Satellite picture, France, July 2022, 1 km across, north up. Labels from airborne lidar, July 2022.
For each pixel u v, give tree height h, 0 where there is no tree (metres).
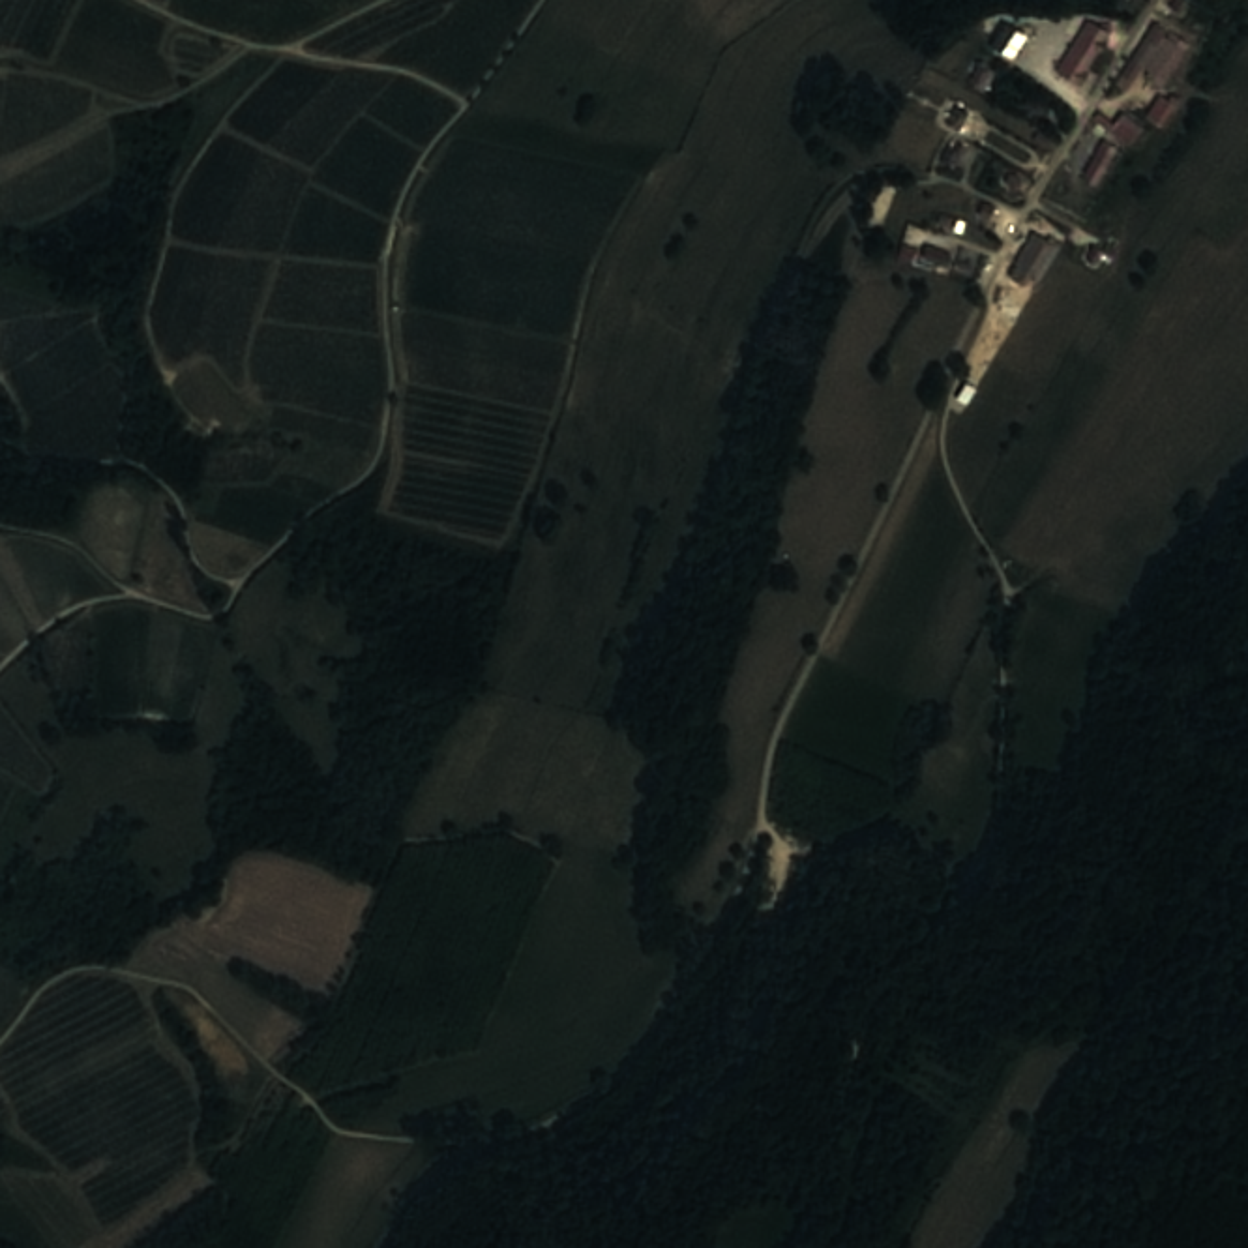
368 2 0
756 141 0
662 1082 28
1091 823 18
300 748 10
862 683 0
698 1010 22
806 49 0
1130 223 0
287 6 0
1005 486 0
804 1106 15
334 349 0
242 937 0
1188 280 0
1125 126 0
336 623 0
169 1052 0
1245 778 14
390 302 0
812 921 29
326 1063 6
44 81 0
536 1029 0
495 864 6
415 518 0
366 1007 6
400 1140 0
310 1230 0
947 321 0
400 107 0
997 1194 0
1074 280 0
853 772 8
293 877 0
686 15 0
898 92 17
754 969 28
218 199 0
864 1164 14
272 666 0
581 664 0
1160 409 0
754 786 0
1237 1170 9
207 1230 20
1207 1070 28
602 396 0
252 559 0
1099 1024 15
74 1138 0
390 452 0
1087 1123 18
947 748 0
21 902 11
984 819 0
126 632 0
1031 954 16
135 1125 0
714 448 0
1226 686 25
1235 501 17
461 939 7
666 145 0
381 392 0
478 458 0
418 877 6
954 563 0
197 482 14
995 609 6
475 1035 6
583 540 0
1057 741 0
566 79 0
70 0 0
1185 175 0
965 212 0
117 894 12
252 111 0
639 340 0
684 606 20
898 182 12
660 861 15
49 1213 0
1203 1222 11
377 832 15
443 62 0
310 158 0
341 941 0
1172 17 0
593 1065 0
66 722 12
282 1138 6
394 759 10
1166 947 16
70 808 0
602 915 0
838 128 9
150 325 0
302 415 0
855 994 21
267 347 0
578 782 0
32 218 0
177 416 6
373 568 8
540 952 0
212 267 0
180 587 0
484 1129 19
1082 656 0
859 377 0
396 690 10
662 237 0
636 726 22
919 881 21
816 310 14
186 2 0
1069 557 0
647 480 0
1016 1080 0
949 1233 0
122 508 0
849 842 23
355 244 0
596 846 0
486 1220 17
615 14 0
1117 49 0
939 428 0
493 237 0
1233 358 0
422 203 0
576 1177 32
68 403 0
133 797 0
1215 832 9
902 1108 14
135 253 13
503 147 0
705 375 0
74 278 15
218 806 10
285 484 0
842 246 0
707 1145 19
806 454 12
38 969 8
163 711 0
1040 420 0
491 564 8
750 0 0
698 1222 23
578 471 0
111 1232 0
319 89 0
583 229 0
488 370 0
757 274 0
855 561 12
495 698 0
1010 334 0
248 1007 0
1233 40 6
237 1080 0
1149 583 14
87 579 0
